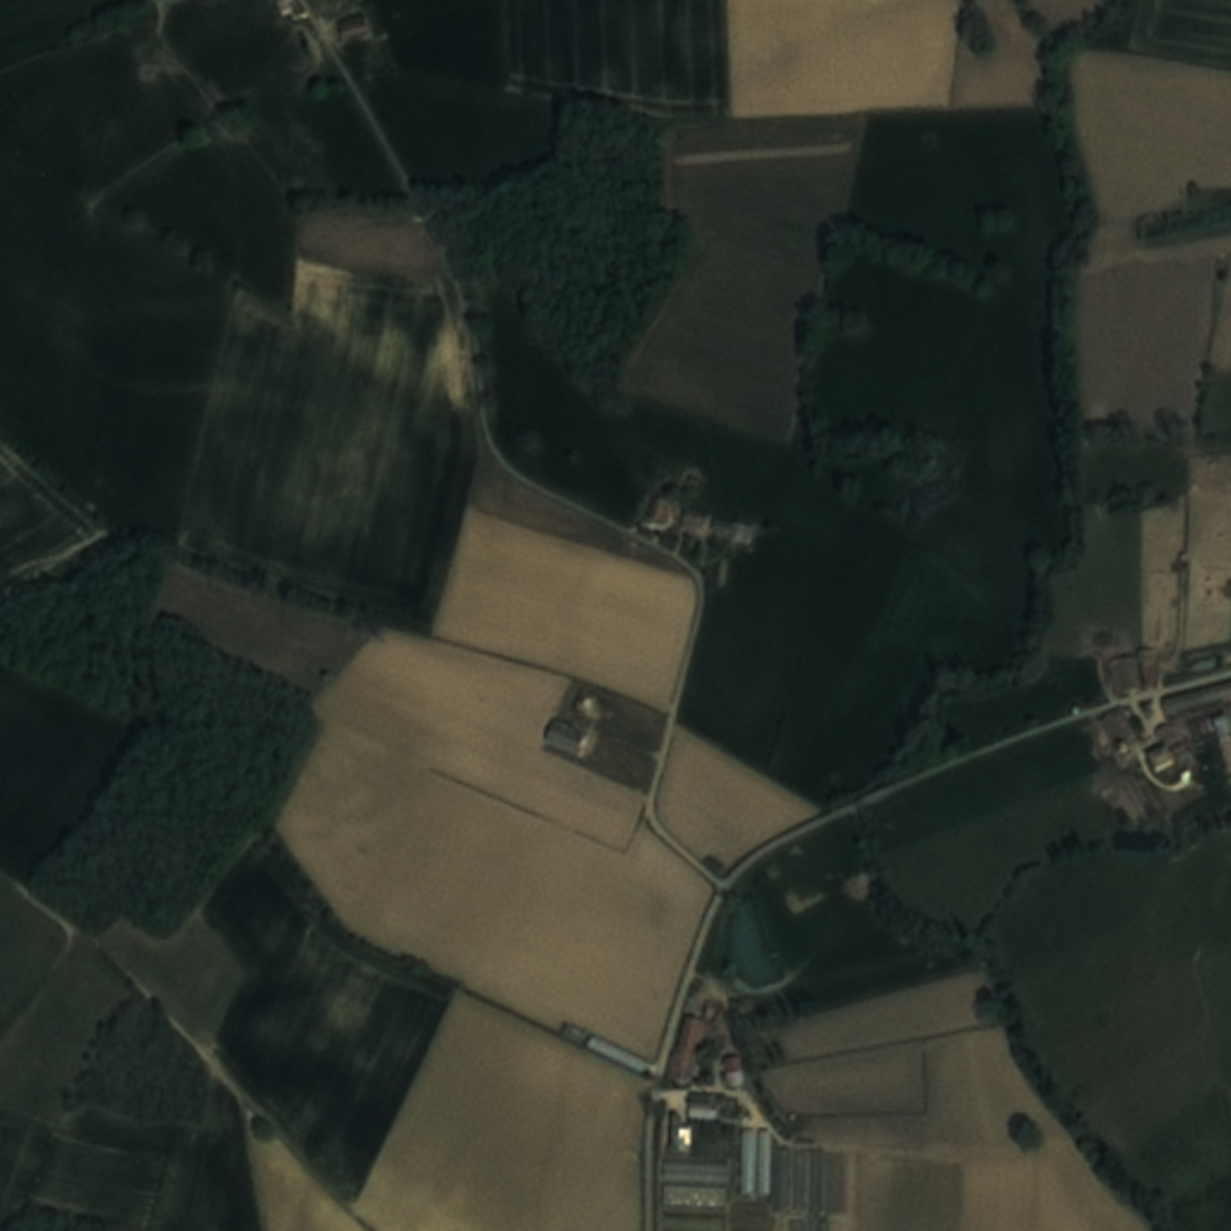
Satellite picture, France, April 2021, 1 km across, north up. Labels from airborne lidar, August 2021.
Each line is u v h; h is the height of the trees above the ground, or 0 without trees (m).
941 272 20
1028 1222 0
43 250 0
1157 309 0
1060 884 0
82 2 0
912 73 0
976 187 0
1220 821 9
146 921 16
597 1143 0
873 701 0
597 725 0
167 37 0
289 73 0
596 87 0
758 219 0
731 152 0
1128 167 0
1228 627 0
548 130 0
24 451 6
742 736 0
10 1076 0
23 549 0
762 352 0
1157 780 0
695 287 0
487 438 0
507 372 0
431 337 0
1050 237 0
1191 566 0
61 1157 0
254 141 0
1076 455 23
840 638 0
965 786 0
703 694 0
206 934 0
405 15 0
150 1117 18
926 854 0
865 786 6
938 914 0
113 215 0
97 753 0
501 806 0
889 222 0
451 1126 0
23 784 0
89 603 26
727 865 0
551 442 0
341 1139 0
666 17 0
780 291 0
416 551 0
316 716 16
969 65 0
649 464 0
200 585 0
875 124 0
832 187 0
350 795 0
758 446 0
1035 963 0
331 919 7
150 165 0
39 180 0
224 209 0
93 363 0
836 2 0
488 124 0
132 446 0
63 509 0
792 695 0
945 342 0
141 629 22
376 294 0
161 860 20
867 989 0
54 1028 0
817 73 0
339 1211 0
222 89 0
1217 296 0
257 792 20
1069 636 0
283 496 0
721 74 0
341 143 0
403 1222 0
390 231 0
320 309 0
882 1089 0
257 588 22
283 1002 0
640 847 0
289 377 0
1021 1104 0
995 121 0
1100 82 0
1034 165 0
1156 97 0
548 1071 0
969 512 0
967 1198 0
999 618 0
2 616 19
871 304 0
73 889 18
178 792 22
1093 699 8
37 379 0
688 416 0
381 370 0
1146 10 0
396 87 0
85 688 23
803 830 0
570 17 0
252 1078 0
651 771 0
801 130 0
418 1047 0
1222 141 0
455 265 16
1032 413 0
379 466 0
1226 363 0
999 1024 19
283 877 0
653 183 13
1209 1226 0
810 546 0
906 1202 0
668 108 0
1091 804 0
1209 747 0
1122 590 0
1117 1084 0
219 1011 0
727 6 0
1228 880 0
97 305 0
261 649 0
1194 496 0
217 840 20
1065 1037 0
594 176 20
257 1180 0
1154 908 0
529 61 0
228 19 0
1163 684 0
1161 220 7
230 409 0
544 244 21
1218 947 0
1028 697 0
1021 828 0
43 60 0
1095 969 0
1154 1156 0
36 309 0
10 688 0
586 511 0
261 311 0
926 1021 0
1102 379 0
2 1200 0
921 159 0
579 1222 0
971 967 24
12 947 0
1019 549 0
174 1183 0
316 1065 0
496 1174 0
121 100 0
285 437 0
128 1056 15
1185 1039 0
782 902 0
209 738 22
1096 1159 14
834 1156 0
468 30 0
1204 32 0
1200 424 12
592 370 17
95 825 16
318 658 0
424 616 0
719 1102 8
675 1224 0
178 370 0
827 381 0
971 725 0
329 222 0
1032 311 0
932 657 0
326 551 0
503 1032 0
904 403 0
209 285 0
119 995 0
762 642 0
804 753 0
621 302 23
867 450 27
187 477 0
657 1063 0
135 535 10
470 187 18
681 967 0
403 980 0
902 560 0
